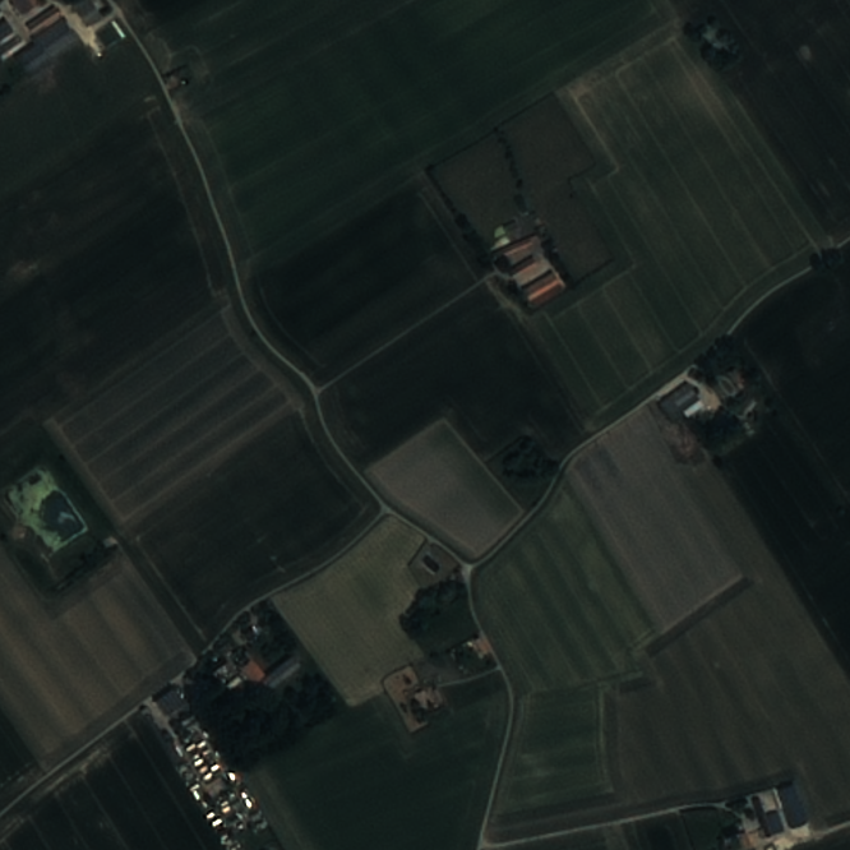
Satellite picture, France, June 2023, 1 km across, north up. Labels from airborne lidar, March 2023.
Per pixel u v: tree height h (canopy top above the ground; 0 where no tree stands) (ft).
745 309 0
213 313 0
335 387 0
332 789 0
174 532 0
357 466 0
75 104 0
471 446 0
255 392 0
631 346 0
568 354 0
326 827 0
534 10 0
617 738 0
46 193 0
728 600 0
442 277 0
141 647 0
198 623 0
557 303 0
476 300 0
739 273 0
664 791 0
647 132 0
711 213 0
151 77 0
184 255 0
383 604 0
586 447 0
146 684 0
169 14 0
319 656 0
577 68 0
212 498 0
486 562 0
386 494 0
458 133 0
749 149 0
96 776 0
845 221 0
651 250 0
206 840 0
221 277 0
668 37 0
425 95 0
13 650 0
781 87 0
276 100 0
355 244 0
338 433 0
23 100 0
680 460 0
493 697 0
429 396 0
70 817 0
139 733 0
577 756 0
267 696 95
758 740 0
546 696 0
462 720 0
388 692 0
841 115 0
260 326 0
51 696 0
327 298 0
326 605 0
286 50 0
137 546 0
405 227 0
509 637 0
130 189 0
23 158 0
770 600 0
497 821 0
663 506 0
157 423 0
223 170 0
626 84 0
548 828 0
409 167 0
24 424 0
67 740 0
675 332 0
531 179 0
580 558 0
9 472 0
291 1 0
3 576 0
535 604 0
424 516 0
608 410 0
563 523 0
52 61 0
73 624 0
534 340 0
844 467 0
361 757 0
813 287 0
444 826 0
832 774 0
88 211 0
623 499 0
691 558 0
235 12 0
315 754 0
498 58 0
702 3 0
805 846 0
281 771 0
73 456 0
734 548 0
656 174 0
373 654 0
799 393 0
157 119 0
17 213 0
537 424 0
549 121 0
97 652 0
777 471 0
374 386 0
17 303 0
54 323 0
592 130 0
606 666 0
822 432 0
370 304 0
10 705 0
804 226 0
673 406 0
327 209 0
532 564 0
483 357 0
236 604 0
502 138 17
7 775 0
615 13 0
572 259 0
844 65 0
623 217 0
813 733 0
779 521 0
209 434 0
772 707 0
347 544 0
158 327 0
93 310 0
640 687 0
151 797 0
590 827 0
